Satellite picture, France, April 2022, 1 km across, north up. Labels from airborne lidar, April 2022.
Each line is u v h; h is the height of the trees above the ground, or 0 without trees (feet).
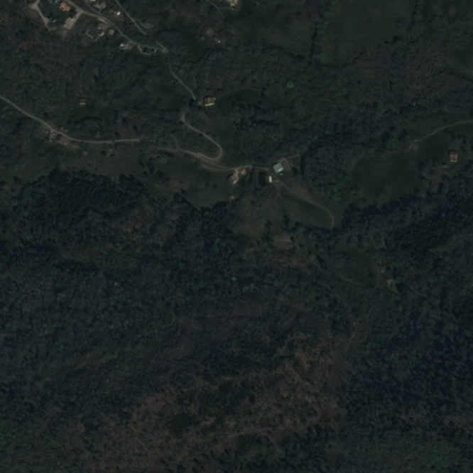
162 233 94
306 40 0
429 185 59
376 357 25
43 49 55
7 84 27
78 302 62
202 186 0
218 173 0
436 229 61
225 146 0
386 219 109
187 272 67
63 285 47
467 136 0
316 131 66
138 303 59
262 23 0
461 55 0
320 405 72
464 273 85
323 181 92
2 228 81
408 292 101
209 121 0
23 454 56
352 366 99
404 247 31
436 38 35
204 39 38
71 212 73
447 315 90
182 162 0
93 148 0
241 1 0
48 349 48
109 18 0
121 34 48
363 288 28
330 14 86
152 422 84
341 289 26
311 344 21
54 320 45
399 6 0
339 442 73
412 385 26
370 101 25
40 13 0
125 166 0
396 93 89
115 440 47
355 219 94
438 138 0
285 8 60
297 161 0
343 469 64
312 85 67
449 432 30
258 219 0
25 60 24
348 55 0
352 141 90
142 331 21
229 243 65
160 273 89
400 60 71
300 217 0
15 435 23
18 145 67
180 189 0
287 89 66
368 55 25
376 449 41
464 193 48
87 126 64
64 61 0
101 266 20
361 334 24
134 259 29
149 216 76
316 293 55
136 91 75
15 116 72
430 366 93
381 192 0
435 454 65
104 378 19
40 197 79
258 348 22
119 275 36
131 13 51
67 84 27
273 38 0
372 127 49
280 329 22
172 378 20
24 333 50
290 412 81
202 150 39
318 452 70
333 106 65
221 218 89
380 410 72
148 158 54
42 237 28
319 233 76
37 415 87
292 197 0
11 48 55
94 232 66
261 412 87
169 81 72
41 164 0
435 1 0
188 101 25
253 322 20
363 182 0
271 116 72
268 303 24
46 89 54
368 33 0
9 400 52
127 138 0
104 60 52
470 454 65
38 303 100
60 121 0
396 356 103
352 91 80
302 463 85
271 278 70
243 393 20
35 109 47
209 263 88
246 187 62
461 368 82
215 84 70
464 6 0
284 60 78
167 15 0
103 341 31
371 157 27
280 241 0
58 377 24
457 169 0
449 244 65
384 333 37
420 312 26
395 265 60
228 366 32
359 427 76
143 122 0
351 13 0
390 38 0
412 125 0
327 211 0
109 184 91
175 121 29
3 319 60
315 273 59
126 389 26
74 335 56
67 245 37
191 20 0
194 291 56
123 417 32
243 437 26
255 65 31
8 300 72
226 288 25
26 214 78
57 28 0
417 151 0
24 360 65
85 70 83
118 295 79
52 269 62
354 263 91
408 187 0
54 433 81
